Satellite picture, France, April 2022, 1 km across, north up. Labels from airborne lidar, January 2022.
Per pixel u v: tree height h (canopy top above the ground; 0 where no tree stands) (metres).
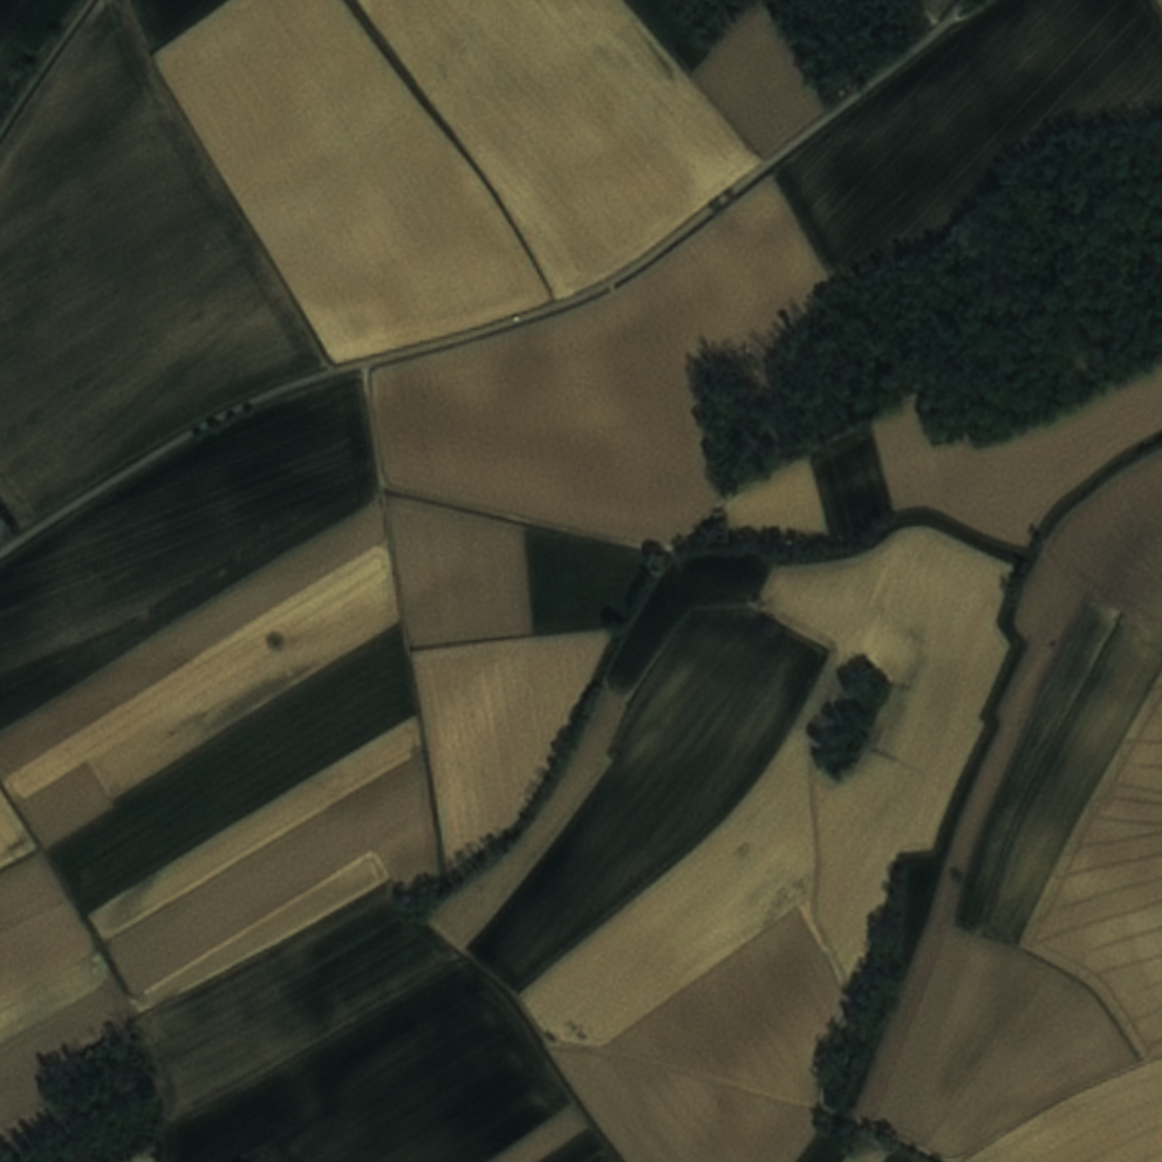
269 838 0
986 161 0
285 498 0
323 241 0
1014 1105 0
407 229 0
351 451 0
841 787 0
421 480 0
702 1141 0
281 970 0
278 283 0
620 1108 0
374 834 0
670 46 0
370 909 0
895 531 0
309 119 0
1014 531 0
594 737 0
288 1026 0
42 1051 0
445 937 0
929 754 0
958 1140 0
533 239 0
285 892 0
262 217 0
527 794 0
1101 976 0
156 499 0
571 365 0
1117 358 28
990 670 0
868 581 0
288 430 0
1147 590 0
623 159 0
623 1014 0
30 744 0
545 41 0
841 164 0
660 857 0
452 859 0
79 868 0
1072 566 0
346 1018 0
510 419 0
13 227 0
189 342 0
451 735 0
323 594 0
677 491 0
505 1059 0
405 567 0
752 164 0
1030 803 0
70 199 0
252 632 0
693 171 0
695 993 0
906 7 13
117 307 0
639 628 0
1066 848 0
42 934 0
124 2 0
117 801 0
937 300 25
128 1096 28
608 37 0
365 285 0
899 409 22
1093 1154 0
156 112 0
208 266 0
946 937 0
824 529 0
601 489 0
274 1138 0
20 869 0
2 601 0
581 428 0
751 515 0
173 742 0
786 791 0
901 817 0
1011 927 0
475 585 0
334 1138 0
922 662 0
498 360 0
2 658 0
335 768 0
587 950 0
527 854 0
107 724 0
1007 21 0
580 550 0
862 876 0
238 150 0
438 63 0
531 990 0
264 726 0
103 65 0
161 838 0
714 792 0
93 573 0
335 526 0
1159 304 26
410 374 0
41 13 0
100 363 0
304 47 0
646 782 0
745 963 0
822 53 25
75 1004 0
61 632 0
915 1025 0
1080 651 0
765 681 0
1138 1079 0
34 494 0
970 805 0
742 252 0
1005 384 33
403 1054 0
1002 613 0
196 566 0
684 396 0
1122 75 0
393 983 0
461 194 0
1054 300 30
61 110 0
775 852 0
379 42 0
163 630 0
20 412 0
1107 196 27
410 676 0
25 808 0
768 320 0
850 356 24
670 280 0
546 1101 0
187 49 0
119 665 0
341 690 0
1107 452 0
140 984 0
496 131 0
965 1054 0
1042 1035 0
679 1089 0
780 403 20
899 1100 0
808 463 0
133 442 0
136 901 0
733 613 0
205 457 0
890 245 0
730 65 0
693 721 0
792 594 0
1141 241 26
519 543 0
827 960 0
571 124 0
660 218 0
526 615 0
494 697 0
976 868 0
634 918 0
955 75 0
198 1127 0
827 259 0
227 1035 0
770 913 0
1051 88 0
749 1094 0
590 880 0
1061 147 17
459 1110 0
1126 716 0
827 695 0
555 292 0
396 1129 0
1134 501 0
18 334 0
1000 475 0
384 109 0
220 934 0
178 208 0
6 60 0
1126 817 0
